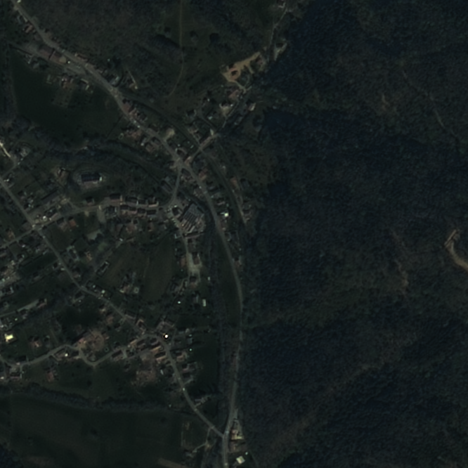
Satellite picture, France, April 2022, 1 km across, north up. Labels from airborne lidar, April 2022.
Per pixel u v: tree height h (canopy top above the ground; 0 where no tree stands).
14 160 0
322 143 26
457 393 23
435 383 28
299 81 24
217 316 14
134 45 23
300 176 30
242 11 7
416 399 29
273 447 16
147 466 0
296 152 35
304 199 29
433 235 21
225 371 19
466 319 26
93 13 20
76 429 0
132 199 0
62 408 0
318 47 27
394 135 18
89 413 0
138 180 7
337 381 23
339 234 24
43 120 0
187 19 0
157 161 7
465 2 34
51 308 17
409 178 22
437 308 22
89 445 0
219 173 0
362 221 27
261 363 21
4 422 0
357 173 21
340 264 25
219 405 16
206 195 0
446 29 28
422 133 28
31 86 0
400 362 27
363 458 14
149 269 0
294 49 7
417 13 29
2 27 18
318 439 23
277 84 20
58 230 0
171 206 0
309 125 34
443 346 30
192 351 0
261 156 0
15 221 0
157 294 0
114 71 0
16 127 18
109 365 0
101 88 0
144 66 10
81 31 22
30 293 0
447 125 19
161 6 27
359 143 31
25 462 0
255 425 19
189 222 0
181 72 0
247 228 22
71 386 0
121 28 16
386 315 30
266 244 19
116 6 24
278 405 29
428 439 15
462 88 18
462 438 17
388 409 36
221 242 0
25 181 0
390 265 7
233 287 0
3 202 16
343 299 15
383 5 36
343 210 25
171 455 0
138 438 0
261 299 20
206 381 0
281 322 10
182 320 0
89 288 11
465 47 29
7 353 0
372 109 18
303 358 30
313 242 23
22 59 6
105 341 0
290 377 26
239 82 8
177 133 8
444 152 35
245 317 16
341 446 22
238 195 14
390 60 24
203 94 0
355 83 27
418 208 26
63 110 0
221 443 15
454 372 29
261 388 19
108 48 16
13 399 0
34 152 10
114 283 0
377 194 24
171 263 0
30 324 17
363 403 32
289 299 26
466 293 21
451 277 20
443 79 20
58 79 0
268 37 0
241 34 6
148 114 0
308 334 25
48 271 0
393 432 29
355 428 35
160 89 10
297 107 26
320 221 24
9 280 0
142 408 12
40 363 0
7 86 21
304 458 28
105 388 0
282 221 24
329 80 28
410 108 22
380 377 36
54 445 0
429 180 23
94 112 0
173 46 25
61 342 12
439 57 28
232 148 16
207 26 17
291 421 21
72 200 0
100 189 0
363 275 18
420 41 32
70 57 0
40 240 6
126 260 0
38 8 10
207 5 29
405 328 32
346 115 30
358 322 26
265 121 0
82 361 0
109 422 0
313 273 26
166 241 0
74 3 20
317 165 36
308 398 30
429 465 19
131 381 0
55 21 18
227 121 6
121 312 0
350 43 22
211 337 0
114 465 0
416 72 22
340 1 25
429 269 24
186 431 0
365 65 25
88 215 0
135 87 0
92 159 7
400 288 19
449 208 26
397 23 29
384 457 22
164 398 0
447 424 20
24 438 0
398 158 31
